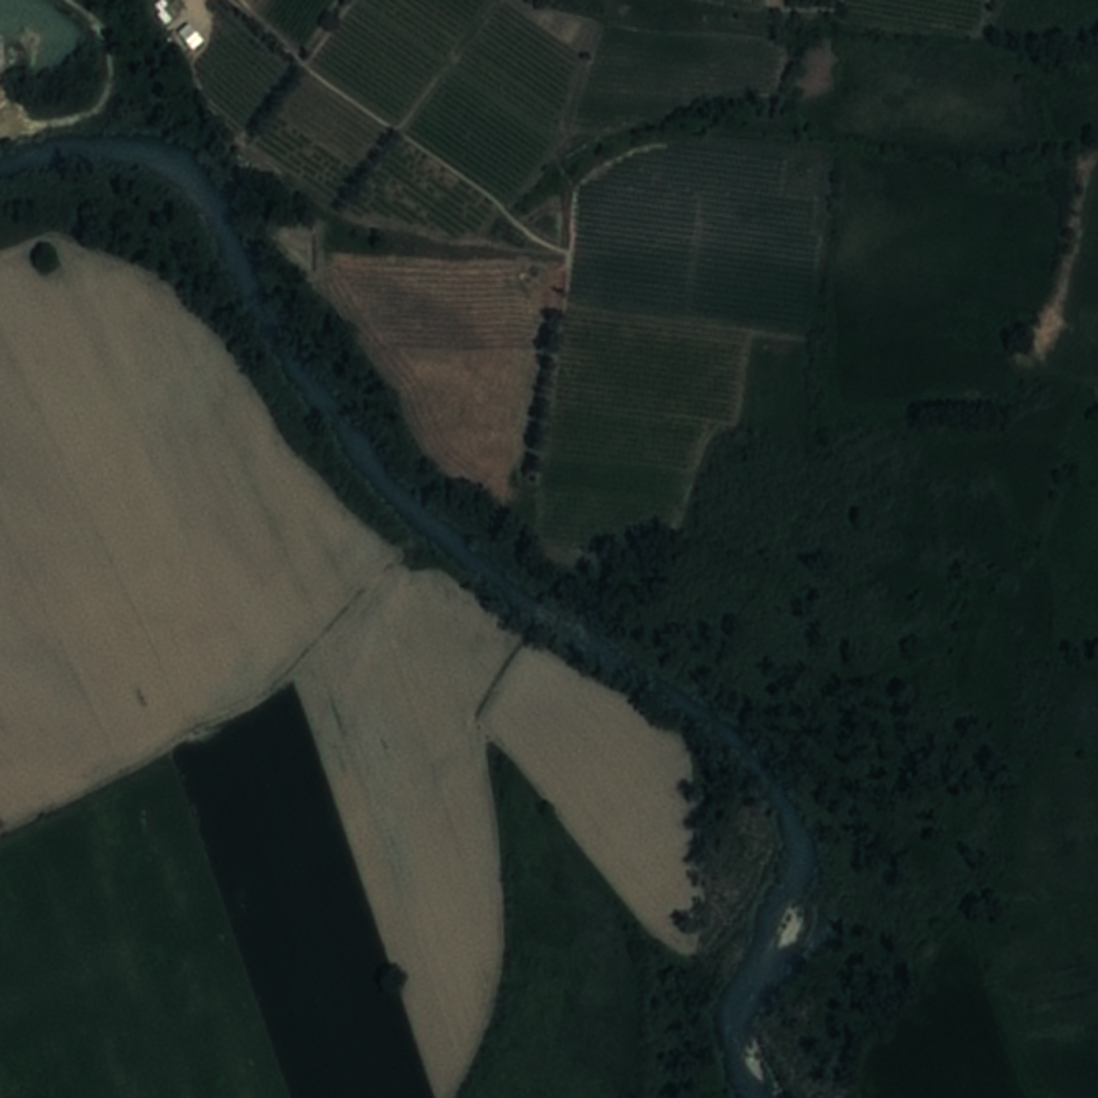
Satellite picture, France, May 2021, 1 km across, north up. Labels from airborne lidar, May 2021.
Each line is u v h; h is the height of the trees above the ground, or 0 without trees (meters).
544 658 0
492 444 0
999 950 0
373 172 22
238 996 0
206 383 0
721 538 6
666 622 6
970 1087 0
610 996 0
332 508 0
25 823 0
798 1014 8
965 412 29
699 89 0
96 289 0
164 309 0
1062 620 0
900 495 8
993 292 0
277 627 0
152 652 0
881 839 30
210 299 17
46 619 0
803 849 0
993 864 7
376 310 0
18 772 0
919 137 0
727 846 27
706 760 31
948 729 7
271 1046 0
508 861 7
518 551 8
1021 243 0
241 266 0
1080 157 7
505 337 0
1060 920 0
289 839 0
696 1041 26
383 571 0
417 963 0
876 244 0
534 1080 0
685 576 7
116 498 0
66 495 0
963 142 0
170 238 6
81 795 0
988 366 0
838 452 7
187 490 0
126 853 0
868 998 36
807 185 0
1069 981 0
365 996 0
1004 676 0
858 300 0
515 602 0
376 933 0
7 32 0
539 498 0
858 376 0
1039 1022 0
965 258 0
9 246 0
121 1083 0
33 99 10
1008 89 0
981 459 0
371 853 0
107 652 0
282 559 0
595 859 0
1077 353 0
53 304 0
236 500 0
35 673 0
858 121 0
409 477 8
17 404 0
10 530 0
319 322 7
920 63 0
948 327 0
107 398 0
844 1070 28
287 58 15
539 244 0
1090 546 0
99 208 10
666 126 17
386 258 0
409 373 0
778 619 7
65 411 0
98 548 0
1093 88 0
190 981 0
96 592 0
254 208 29
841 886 7
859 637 7
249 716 0
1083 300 0
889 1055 0
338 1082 0
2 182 12
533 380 0
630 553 33
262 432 0
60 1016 0
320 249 0
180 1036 0
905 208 0
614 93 0
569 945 0
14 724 0
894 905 9
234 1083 0
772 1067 8
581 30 0
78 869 0
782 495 7
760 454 7
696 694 8
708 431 0
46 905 0
